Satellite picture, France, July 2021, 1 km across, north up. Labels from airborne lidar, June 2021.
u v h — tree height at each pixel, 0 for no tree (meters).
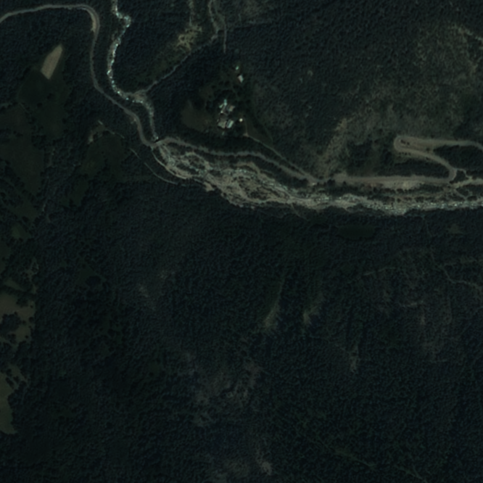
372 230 0
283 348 27
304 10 7
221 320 29
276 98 9
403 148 0
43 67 0
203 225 14
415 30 12
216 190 7
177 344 8
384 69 6
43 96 0
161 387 12
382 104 7
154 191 11
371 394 15
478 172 10
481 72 8
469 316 15
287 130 7
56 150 7
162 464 25
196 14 7
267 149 6
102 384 9
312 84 8
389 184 0
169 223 13
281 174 5
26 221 23
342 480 12
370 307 20
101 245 27
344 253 12
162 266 6
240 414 7
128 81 9
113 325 13
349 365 7
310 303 7
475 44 6
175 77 8
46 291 20
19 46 12
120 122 16
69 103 14
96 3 7
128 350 14
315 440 15
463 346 7
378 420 15
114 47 0
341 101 8
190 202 19
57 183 8
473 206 0
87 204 19
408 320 18
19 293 12
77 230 25
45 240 18
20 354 16
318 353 26
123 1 12
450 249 11
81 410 11
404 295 13
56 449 28
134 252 9
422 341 8
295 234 12
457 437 32
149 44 7
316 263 12
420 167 6
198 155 7
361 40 12
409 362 16
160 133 10
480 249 12
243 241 22
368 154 12
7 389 0
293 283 29
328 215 8
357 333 22
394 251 14
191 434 13
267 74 6
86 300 27
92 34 9
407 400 32
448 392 17
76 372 19
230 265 16
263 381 22
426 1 12
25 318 0
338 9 14
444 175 8
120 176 0
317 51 10
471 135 9
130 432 18
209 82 7
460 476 26
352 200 0
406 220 14
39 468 27
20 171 0
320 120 6
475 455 23
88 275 0
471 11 14
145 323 20
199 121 0
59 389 29
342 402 20
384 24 12
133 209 11
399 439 10
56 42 7
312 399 10
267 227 13
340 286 25
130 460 23
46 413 30
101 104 16
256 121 10
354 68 8
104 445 16
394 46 10
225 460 9
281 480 19
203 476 6
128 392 21
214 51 8
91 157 0
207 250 17
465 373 13
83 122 20
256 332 6
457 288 10
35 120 13
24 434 25
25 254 11
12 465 16
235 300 16
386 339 12
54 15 16
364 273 6
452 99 7
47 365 26
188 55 6
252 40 6
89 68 10
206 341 26
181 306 28
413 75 8
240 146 9
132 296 12
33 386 13
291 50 12
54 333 22
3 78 14
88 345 7
